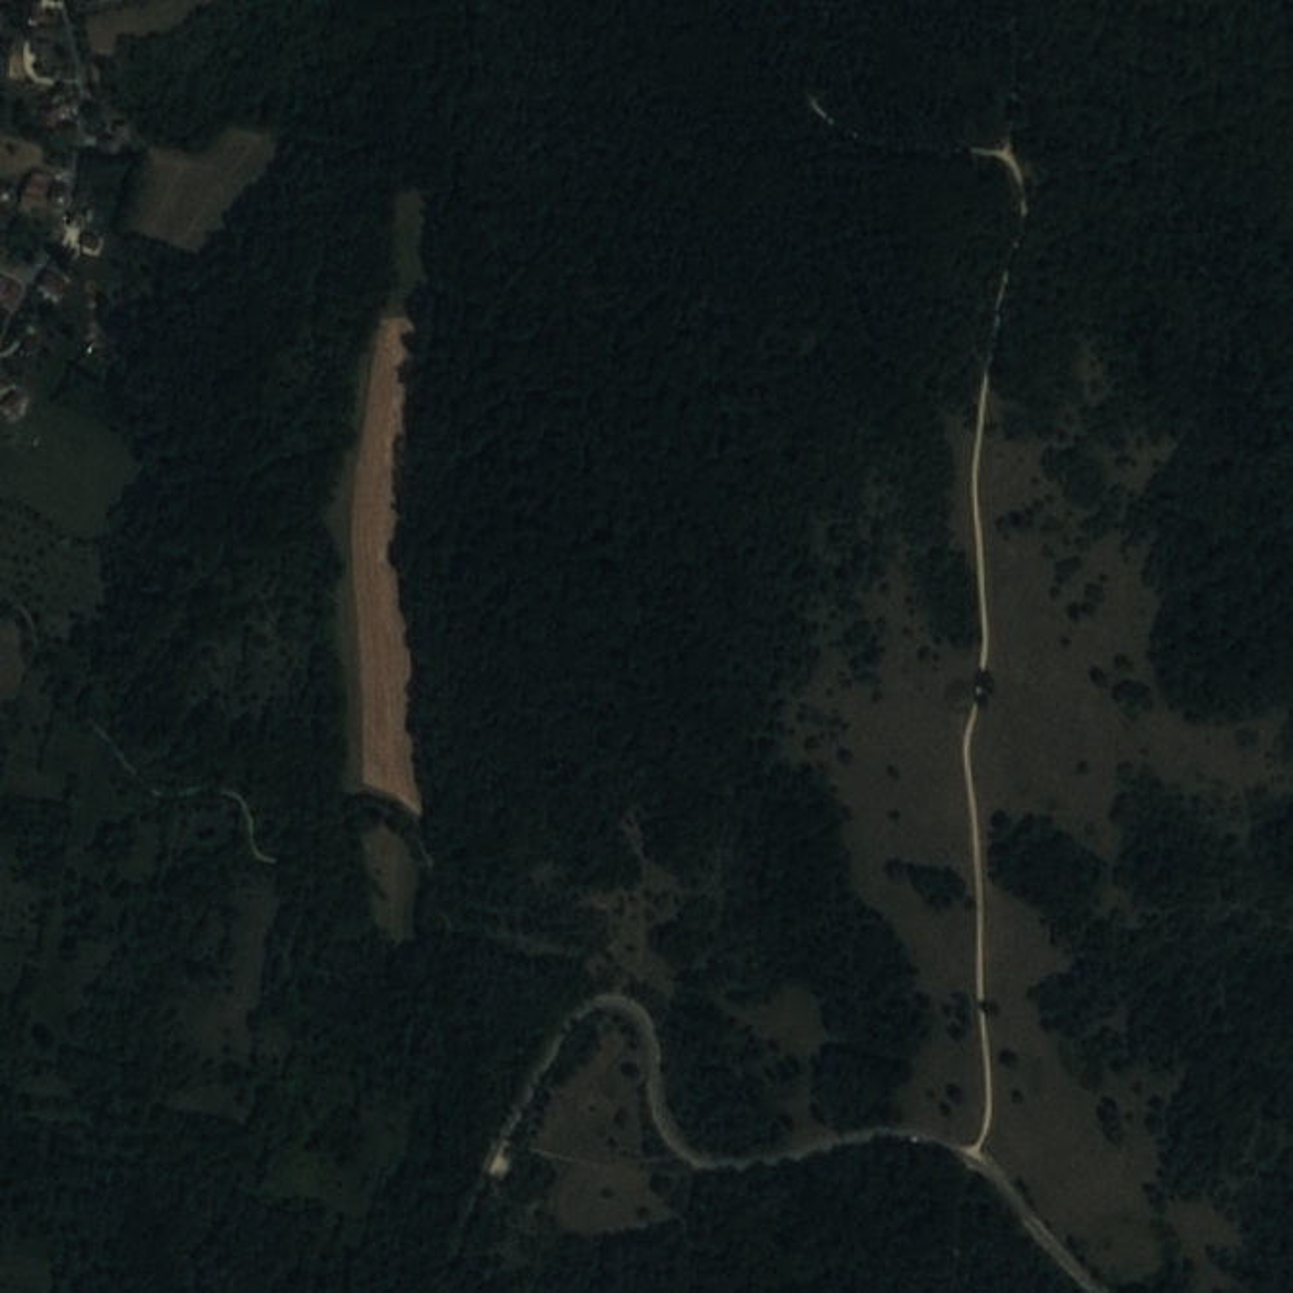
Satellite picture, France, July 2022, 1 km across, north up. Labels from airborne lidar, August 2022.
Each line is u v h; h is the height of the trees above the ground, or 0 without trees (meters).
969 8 13
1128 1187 0
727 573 23
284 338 15
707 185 17
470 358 23
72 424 0
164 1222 15
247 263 21
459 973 17
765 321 20
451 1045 21
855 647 12
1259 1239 8
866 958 14
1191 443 7
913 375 15
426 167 28
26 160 0
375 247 20
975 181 13
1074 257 14
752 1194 18
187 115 8
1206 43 17
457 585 19
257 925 0
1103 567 0
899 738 0
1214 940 7
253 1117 7
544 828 11
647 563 21
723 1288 14
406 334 0
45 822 7
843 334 19
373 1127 0
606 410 19
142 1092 17
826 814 13
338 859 15
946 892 12
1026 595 0
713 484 21
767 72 14
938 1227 23
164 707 19
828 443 15
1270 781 0
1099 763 0
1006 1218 14
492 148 16
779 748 6
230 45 9
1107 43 17
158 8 0
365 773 0
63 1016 0
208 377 21
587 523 23
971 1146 0
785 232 20
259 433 21
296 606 16
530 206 20
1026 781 0
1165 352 18
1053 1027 12
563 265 21
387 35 18
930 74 13
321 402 14
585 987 7
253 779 15
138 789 8
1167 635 14
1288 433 18
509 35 19
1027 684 0
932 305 13
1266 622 10
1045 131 15
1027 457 0
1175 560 11
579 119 16
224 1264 18
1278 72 20
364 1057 9
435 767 15
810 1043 0
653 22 15
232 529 15
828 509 9
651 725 21
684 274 21
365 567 0
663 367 21
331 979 7
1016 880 8
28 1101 13
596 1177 0
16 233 9
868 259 18
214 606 18
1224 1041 15
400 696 0
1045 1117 0
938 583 10
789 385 19
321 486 17
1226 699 10
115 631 7
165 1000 7
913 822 0
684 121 18
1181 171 13
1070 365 6
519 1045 17
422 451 17
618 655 21
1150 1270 0
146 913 8
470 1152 17
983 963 0
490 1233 7
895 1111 10
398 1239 14
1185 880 18
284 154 12
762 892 18
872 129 22
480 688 16
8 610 15
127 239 15
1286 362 14
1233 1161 7
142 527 22
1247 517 17
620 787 16
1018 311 9
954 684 0
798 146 16
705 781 11
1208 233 13
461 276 23
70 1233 12
